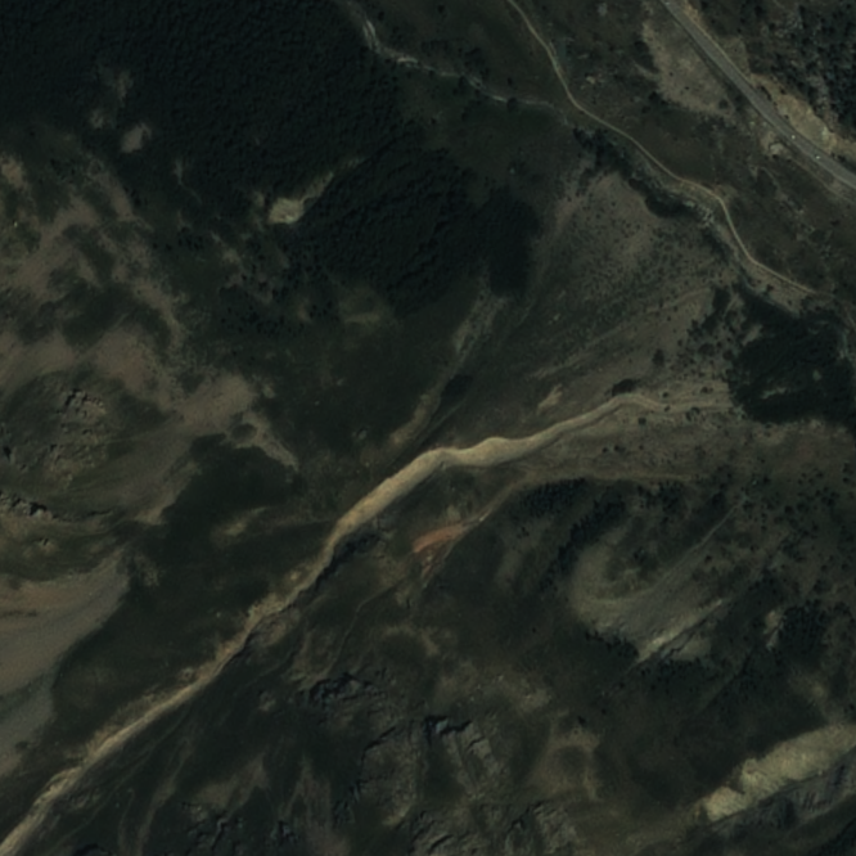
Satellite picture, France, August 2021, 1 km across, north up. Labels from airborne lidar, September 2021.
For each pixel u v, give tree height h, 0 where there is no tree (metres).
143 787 0
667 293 0
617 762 0
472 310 0
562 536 0
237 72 10
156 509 0
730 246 0
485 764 0
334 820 0
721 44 0
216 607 0
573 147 0
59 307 0
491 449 0
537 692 0
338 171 6
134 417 0
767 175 0
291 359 0
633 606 0
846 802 0
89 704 0
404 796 0
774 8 0
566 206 0
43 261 0
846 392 10
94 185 0
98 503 0
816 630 9
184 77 10
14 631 0
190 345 0
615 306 0
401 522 0
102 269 0
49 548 0
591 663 0
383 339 0
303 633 0
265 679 0
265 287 7
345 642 0
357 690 0
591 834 0
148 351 0
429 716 0
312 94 6
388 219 10
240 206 6
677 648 0
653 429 0
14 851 0
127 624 0
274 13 15
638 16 0
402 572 0
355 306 0
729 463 0
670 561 0
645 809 0
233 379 0
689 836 0
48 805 0
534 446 0
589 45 0
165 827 0
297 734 0
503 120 0
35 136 7
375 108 7
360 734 0
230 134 8
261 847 0
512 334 0
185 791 0
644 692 0
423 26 0
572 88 0
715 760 0
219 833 0
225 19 11
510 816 0
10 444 0
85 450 0
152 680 0
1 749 0
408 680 0
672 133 0
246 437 0
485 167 0
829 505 7
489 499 0
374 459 0
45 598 0
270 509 0
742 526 0
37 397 0
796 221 0
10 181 0
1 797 0
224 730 0
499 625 0
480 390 0
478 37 0
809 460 0
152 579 0
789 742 0
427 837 0
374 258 10
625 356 0
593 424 0
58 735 0
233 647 0
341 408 0
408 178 11
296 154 10
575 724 0
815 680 0
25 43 9
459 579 0
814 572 0
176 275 0
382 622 0
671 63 0
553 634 0
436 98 0
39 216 0
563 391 0
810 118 0
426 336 0
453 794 0
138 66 7
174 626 0
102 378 0
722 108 0
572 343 0
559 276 0
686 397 0
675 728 0
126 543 0
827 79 7
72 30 6
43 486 0
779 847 0
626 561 0
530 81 0
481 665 0
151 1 10
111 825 0
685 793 0
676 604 0
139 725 0
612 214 0
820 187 0
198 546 0
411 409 0
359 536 0
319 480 0
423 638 0
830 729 0
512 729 0
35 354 0
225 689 0
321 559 0
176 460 0
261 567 0
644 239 0
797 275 0
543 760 0
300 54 11
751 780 0
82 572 0
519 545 0
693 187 0
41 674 0
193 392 0
